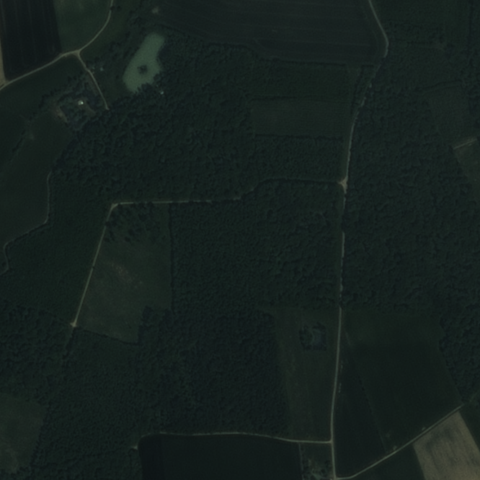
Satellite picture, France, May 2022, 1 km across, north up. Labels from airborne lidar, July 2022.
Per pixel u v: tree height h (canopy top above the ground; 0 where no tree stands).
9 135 0
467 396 23
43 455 16
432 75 6
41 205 0
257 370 20
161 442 0
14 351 22
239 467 0
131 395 19
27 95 0
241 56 26
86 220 15
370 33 0
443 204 27
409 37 14
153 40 0
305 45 0
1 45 0
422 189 24
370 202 23
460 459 0
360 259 22
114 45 14
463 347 26
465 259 19
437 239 19
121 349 16
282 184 23
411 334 0
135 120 32
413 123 24
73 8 0
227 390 20
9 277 12
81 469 21
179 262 19
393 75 26
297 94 8
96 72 0
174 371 23
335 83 11
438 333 0
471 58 27
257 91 8
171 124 20
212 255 19
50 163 0
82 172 24
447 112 6
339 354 0
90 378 16
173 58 18
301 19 0
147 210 24
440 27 7
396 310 25
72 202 15
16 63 0
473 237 21
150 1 6
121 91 0
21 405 0
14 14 0
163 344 27
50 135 0
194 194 24
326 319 0
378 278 26
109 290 0
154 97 25
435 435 0
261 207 21
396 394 0
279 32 0
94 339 14
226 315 21
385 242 8
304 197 24
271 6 0
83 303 0
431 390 0
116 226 25
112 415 19
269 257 23
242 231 21
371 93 20
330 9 0
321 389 0
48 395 29
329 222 20
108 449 20
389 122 27
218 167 24
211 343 25
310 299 22
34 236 11
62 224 13
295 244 24
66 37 0
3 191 0
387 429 0
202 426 25
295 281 22
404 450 0
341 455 0
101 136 19
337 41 0
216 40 0
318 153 17
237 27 0
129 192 29
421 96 9
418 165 23
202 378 28
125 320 0
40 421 0
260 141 14
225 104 28
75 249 14
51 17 0
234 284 20
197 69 25
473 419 0
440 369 0
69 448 19
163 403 20
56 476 17
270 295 23
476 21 22
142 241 26
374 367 0
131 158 26
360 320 0
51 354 30
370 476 0
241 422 18
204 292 22
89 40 0
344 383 0
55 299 15
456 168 9
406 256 21
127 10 0
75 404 14
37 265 16
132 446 17
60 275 13
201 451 0
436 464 0
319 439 0
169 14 0
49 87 0
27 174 0
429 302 24
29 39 0
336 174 18
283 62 9
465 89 11
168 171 27
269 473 0
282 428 13
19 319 25
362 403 0
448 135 6
